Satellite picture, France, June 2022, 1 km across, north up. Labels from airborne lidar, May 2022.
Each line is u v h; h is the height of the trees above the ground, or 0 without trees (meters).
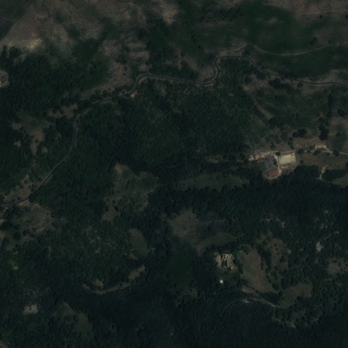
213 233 6
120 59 10
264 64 0
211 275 21
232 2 0
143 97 7
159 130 14
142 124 14
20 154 16
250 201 16
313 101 8
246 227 12
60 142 9
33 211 0
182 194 21
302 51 0
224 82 9
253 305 16
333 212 10
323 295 10
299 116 10
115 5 0
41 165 11
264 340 18
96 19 0
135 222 24
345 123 0
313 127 0
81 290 18
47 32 0
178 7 0
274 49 0
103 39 7
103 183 20
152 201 15
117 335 15
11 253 18
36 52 0
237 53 0
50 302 13
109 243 12
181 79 13
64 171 19
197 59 0
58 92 19
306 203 24
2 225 9
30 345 10
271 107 0
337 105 0
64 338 8
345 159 0
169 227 10
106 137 11
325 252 11
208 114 14
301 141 0
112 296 23
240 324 10
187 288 0
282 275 15
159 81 10
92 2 0
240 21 0
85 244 12
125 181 0
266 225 12
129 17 0
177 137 8
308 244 8
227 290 18
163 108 15
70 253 9
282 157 0
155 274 27
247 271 0
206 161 14
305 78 0
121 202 10
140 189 0
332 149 0
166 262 14
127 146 18
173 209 9
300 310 14
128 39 0
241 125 9
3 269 13
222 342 15
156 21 10
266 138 7
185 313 25
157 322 17
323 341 19
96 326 18
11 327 13
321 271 10
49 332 11
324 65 0
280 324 15
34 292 7
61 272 18
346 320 22
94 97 18
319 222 9
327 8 0
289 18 0
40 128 0
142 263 14
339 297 12
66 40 0
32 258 17
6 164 20
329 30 0
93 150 21
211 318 15
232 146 17
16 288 15
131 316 16
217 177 12
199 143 10
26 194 0
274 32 0
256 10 0
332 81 0
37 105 16
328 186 29
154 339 15
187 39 0
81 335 16
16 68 13
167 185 9
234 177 0
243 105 11
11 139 13
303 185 25
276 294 14
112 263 17
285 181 22
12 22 0
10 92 16
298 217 18
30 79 15
